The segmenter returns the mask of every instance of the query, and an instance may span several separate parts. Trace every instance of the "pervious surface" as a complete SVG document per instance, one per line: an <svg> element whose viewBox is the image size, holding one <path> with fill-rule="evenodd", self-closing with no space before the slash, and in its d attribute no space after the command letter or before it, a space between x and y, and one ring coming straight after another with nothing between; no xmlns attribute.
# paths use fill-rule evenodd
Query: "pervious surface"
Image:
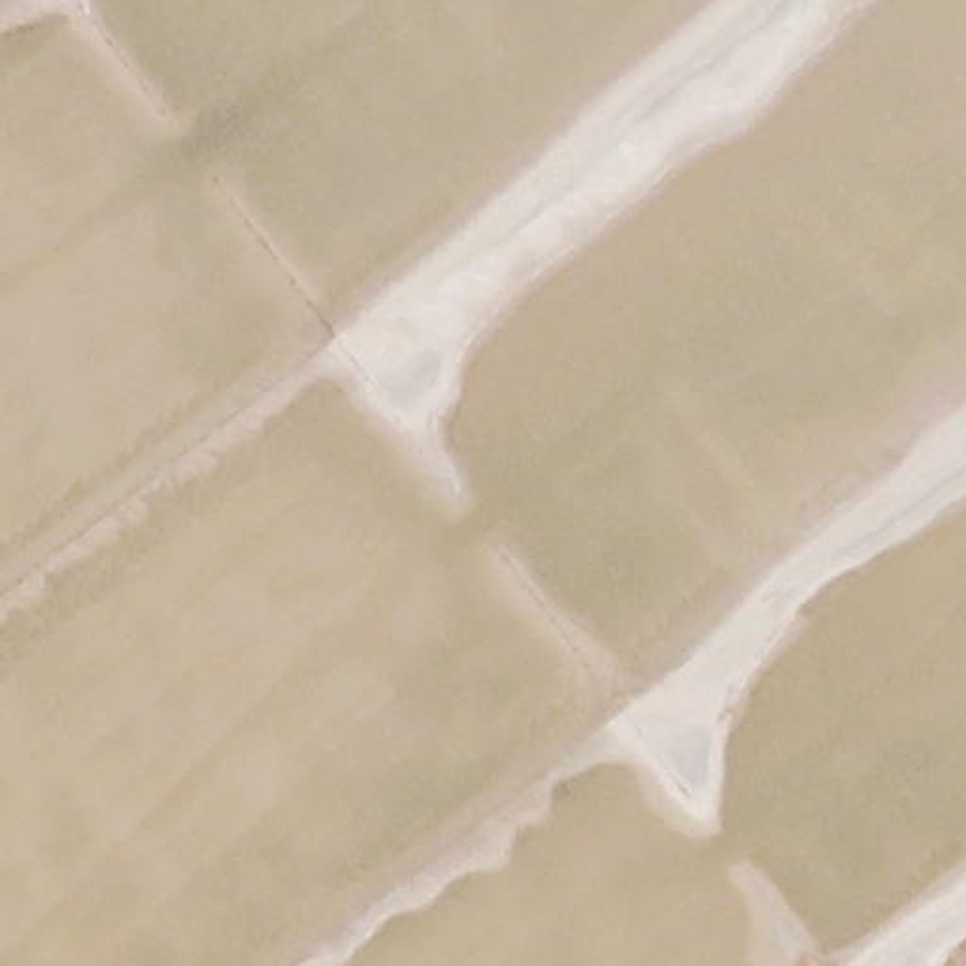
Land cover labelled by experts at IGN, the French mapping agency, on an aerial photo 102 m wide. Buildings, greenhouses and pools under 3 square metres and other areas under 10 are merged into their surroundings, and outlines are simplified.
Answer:
<svg viewBox="0 0 966 966"><path fill-rule="evenodd" d="M540 755L509 766L509 774L494 789L460 808L438 830L438 838L400 853L392 864L366 875L347 894L336 894L332 887L309 894L302 902L298 936L283 951L264 955L260 966L347 966L351 955L385 921L430 906L460 875L502 868L513 849L513 838L547 819L555 785L592 766L630 762L653 811L660 811L675 830L691 838L713 834L728 728L740 717L743 694L758 668L789 641L800 608L826 581L872 562L887 547L906 543L909 536L936 525L951 506L966 502L966 404L951 411L943 423L936 423L894 472L868 483L860 498L838 506L800 547L792 547L770 574L762 574L751 585L751 592L694 645L694 653L653 687L641 675L626 672L619 657L589 634L585 623L577 623L566 608L558 608L547 596L547 589L536 581L517 547L487 540L479 555L498 600L517 619L525 619L547 649L558 653L562 683L555 687L555 706L570 725L562 725Z"/></svg>
<svg viewBox="0 0 966 966"><path fill-rule="evenodd" d="M60 521L30 551L15 555L0 570L0 623L8 623L8 615L19 608L38 604L53 574L117 540L121 528L140 525L155 494L211 472L223 460L223 453L260 434L260 426L272 415L279 415L306 385L317 385L325 377L340 381L351 404L366 415L366 423L392 441L408 472L419 479L423 494L438 502L445 513L460 517L472 494L464 487L457 460L445 449L441 423L460 392L460 370L468 362L472 343L494 328L498 313L509 309L536 279L543 279L592 238L600 238L672 170L698 158L713 143L747 132L755 117L781 94L781 87L826 45L834 45L849 19L872 8L875 0L713 0L668 42L660 42L649 57L641 57L630 72L608 83L574 117L574 125L558 132L498 196L491 196L472 219L464 219L464 226L457 226L419 264L392 279L370 306L358 309L358 317L351 317L336 298L325 294L325 287L294 257L283 234L268 226L264 215L249 204L245 185L230 170L219 181L211 181L208 200L226 219L226 230L242 242L249 275L283 309L268 355L249 377L226 389L223 400L211 404L196 423L177 430L151 457L128 468L113 487L87 498L68 521Z"/></svg>
<svg viewBox="0 0 966 966"><path fill-rule="evenodd" d="M0 34L42 15L64 15L68 30L87 45L94 68L125 94L136 117L158 140L177 140L181 132L189 132L189 125L170 109L162 91L136 68L128 49L106 30L94 0L0 0Z"/></svg>
<svg viewBox="0 0 966 966"><path fill-rule="evenodd" d="M736 860L728 872L732 887L740 891L751 913L751 966L966 966L966 860L940 875L940 883L924 898L917 898L864 943L845 951L823 951L815 936L804 928L804 921L789 909L785 894L751 860Z"/></svg>

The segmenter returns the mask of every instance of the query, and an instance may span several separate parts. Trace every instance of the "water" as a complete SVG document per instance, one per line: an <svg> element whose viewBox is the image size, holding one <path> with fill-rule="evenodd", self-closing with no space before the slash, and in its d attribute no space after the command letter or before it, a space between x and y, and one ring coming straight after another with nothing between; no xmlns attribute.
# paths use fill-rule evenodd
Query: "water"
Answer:
<svg viewBox="0 0 966 966"><path fill-rule="evenodd" d="M226 219L208 200L211 181L219 181L230 170L245 185L249 204L264 215L268 226L283 234L294 257L325 287L325 294L336 298L351 317L358 317L358 309L370 306L392 279L419 264L457 226L464 226L464 219L472 219L491 196L498 196L558 132L574 125L574 117L608 83L630 72L641 57L649 57L660 42L668 42L713 0L94 0L106 30L128 49L136 68L162 91L170 109L189 125L189 132L181 132L177 140L158 140L136 117L125 94L94 68L87 45L68 30L64 15L42 15L0 34L0 570L15 555L30 551L60 521L68 521L87 498L113 487L128 468L151 457L177 430L196 423L211 404L223 400L226 389L249 377L268 355L283 309L249 275L242 242L226 230Z"/></svg>
<svg viewBox="0 0 966 966"><path fill-rule="evenodd" d="M951 506L936 525L909 536L906 543L887 547L872 562L826 581L800 608L789 641L758 668L743 694L740 717L728 728L713 834L691 838L675 830L660 811L653 811L630 762L592 766L555 785L547 819L513 838L513 849L502 868L460 875L430 906L385 921L351 955L347 966L751 966L751 913L740 891L732 887L728 872L736 860L751 860L785 894L789 909L804 921L804 928L815 936L823 951L845 951L864 943L917 898L924 898L940 883L940 875L966 860L966 502Z"/></svg>
<svg viewBox="0 0 966 966"><path fill-rule="evenodd" d="M762 574L770 574L792 547L800 547L838 506L860 498L868 483L894 472L936 423L943 423L951 411L966 404L966 0L875 0L872 8L849 19L834 45L826 45L781 87L781 94L755 117L747 132L713 143L698 158L672 170L600 238L592 238L543 279L536 279L509 309L498 313L494 328L472 343L468 362L460 370L460 392L441 423L445 449L457 460L464 487L472 494L460 517L445 513L438 502L423 494L419 479L408 472L392 441L366 423L366 415L351 404L340 381L325 377L317 385L306 385L279 415L272 415L260 426L260 434L223 453L223 460L211 472L155 494L140 525L121 528L117 540L53 574L38 604L19 608L8 615L8 623L0 623L0 966L260 966L264 955L283 951L298 936L302 902L309 894L332 887L336 894L347 894L366 875L392 864L400 853L438 838L438 830L460 808L494 789L509 774L509 766L540 755L562 725L570 725L555 706L555 687L562 683L558 653L547 649L525 619L517 619L498 600L479 555L487 540L517 547L536 581L547 589L547 596L558 608L566 608L577 623L585 623L589 634L619 657L626 672L641 675L653 687L694 653L694 645L751 592L751 585Z"/></svg>

